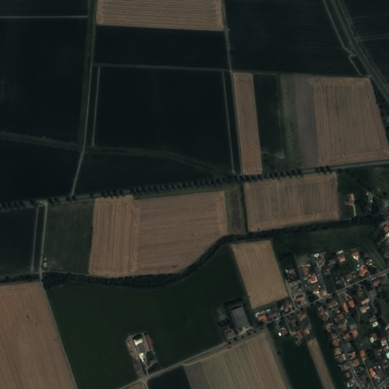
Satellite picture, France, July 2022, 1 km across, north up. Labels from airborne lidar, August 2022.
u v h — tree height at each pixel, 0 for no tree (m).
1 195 0
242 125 0
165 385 0
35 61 0
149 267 0
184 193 0
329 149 0
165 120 0
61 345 0
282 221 0
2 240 0
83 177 0
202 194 0
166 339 0
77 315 0
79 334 0
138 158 0
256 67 0
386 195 13
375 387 0
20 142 0
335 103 0
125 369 0
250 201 0
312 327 0
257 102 0
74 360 0
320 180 0
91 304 0
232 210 0
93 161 0
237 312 0
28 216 0
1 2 0
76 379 0
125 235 0
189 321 0
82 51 0
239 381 0
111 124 0
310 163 0
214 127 0
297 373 0
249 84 0
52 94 0
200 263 6
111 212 0
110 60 0
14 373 0
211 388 0
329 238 0
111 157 0
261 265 0
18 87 0
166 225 0
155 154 0
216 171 0
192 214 0
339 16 0
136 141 0
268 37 0
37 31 0
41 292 0
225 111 0
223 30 0
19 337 0
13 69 0
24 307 0
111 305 0
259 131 0
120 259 0
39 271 0
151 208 0
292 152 0
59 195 0
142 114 0
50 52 0
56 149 0
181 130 0
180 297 0
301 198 0
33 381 0
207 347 0
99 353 0
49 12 0
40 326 0
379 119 0
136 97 0
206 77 0
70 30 0
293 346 0
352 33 0
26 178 0
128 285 13
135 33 0
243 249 0
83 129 0
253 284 0
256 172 0
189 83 0
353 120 0
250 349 0
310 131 0
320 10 0
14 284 0
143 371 6
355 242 0
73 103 0
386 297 6
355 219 12
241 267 0
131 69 0
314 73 0
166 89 0
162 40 0
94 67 0
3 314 0
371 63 0
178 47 0
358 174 0
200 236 0
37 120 0
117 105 0
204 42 0
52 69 0
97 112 0
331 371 0
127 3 0
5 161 0
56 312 0
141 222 0
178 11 0
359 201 8
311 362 0
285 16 0
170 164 0
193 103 0
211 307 0
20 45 0
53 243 0
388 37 0
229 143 0
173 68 0
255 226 0
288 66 0
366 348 0
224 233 0
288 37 0
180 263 0
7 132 0
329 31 0
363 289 9
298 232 11
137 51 0
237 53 0
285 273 10
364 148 0
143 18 0
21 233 0
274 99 0
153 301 0
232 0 0
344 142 0
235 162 0
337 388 0
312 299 7
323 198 0
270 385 0
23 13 0
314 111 0
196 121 0
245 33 0
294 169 0
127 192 0
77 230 0
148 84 0
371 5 0
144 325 0
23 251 0
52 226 0
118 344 0
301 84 0
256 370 0
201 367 0
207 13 0
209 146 0
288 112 0
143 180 0
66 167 0
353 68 0
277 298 0
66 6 0
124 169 0
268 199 0
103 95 0
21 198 0
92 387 0
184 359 0
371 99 0
